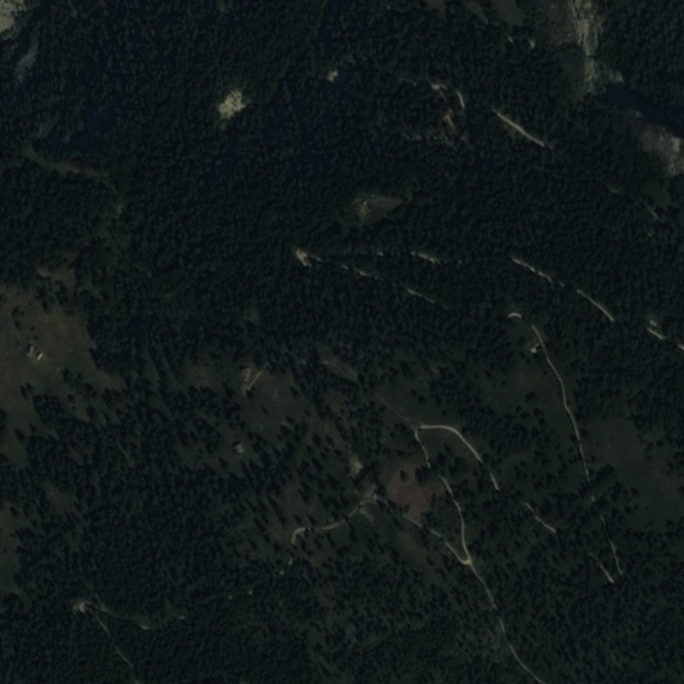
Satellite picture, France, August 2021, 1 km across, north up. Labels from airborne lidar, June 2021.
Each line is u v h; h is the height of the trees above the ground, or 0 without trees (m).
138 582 13
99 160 26
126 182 11
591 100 13
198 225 20
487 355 10
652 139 0
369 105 8
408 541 0
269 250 19
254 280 15
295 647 6
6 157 31
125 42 26
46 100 20
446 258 8
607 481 23
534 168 5
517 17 0
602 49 15
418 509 0
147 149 15
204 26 6
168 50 31
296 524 0
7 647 8
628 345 14
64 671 13
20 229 16
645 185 25
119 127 24
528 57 18
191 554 13
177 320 6
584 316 12
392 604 7
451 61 17
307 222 25
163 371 23
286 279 20
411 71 12
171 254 24
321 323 17
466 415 22
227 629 12
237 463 0
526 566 9
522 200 18
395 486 0
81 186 18
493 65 28
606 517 11
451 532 8
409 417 0
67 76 8
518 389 0
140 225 8
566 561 29
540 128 17
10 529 0
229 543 6
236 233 24
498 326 16
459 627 7
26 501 18
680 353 19
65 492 20
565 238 21
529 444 24
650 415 13
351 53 13
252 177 24
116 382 0
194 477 22
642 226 31
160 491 15
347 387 19
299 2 25
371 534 0
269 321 17
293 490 0
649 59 26
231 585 12
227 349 33
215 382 0
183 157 16
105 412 0
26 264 8
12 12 7
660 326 0
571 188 23
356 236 15
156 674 11
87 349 0
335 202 21
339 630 7
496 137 15
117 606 12
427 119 19
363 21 14
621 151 25
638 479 0
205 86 18
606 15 10
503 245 21
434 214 21
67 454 21
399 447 0
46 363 0
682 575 17
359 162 30
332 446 13
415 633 13
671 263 15
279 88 7
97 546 15
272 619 11
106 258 9
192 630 9
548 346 13
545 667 6
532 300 19
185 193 18
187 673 16
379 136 15
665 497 0
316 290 12
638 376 18
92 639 11
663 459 0
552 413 0
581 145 20
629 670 10
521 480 9
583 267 19
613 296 15
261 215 17
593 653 26
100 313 27
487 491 25
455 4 10
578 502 23
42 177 10
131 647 15
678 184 20
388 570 6
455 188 21
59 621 12
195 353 15
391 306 15
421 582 7
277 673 14
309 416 11
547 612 8
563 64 0
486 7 14
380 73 20
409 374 21
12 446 0
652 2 12
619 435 0
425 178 16
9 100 14
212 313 10
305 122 23
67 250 18
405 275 7
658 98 15
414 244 15
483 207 20
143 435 7
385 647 10
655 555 10
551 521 7
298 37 18
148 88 33
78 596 10
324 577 14
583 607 15
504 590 6
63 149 7
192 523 8
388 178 19
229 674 13
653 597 17
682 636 15
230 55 22
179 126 7
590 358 7
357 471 0
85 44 12
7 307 0
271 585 11
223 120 8
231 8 7
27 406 0
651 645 8
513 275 16
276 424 0
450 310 7
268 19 26
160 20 7
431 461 6
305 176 25
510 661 8
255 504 0
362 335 7
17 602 17
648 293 27
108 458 20
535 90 20
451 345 26
